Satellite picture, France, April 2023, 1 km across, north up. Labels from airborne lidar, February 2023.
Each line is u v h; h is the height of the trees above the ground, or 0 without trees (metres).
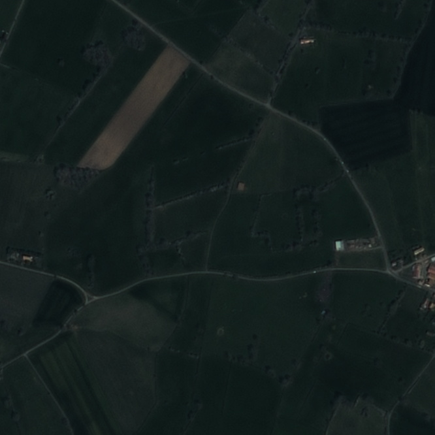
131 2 0
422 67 0
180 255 6
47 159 0
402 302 0
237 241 0
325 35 0
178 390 0
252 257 0
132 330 0
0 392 0
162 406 0
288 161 0
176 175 0
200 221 0
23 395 0
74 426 0
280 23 0
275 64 0
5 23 0
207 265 0
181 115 0
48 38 0
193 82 0
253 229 9
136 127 0
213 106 0
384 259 0
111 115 0
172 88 0
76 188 12
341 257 0
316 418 0
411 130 0
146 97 0
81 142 0
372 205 0
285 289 0
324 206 0
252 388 0
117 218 0
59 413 0
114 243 0
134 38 25
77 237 0
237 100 0
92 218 0
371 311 0
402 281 0
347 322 0
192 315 0
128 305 0
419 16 0
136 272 0
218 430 0
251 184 0
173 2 0
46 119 0
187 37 0
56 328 0
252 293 0
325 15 0
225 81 0
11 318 0
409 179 0
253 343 0
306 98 0
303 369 0
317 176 0
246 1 0
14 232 0
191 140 0
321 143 0
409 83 0
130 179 0
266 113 0
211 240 0
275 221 0
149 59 0
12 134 0
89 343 0
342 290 0
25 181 0
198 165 0
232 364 0
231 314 0
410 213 0
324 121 0
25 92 0
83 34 0
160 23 0
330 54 0
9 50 0
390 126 0
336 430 0
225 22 0
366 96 17
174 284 0
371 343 0
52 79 0
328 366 0
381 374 0
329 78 0
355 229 0
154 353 0
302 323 0
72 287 0
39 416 0
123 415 0
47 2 0
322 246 0
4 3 0
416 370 0
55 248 0
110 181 0
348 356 0
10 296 0
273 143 0
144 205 0
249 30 0
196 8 0
